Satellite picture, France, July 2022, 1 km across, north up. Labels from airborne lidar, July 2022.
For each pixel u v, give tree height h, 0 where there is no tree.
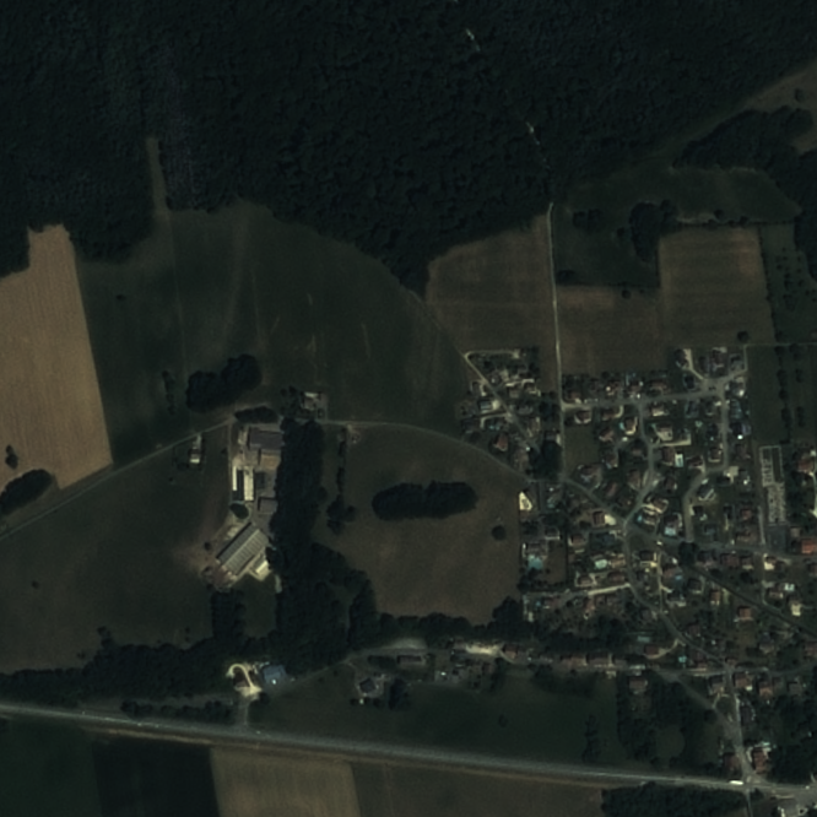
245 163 24
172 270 0
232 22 23
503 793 0
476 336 0
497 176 23
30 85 24
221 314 0
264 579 0
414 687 0
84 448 0
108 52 24
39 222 14
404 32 24
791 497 10
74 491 0
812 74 0
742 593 0
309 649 19
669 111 26
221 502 0
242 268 0
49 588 0
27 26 20
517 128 28
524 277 0
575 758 0
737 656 0
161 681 20
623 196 0
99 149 24
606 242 0
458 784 0
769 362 0
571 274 14
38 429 0
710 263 0
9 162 18
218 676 11
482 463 0
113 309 0
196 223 0
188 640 9
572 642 21
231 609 16
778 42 9
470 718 0
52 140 19
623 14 25
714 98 23
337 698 0
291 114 33
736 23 11
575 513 7
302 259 0
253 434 0
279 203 19
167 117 22
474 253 0
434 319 0
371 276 0
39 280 0
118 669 20
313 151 30
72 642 0
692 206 0
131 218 19
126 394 0
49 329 0
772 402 0
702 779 0
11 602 0
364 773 0
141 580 0
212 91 22
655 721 7
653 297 0
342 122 28
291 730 0
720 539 0
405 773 0
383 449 0
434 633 26
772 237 0
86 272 0
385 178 28
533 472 11
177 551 0
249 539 0
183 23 21
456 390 0
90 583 0
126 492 0
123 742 0
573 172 19
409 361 0
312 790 0
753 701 7
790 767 8
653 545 0
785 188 18
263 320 0
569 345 0
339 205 26
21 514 0
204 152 22
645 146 23
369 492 0
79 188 26
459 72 23
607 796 10
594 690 0
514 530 0
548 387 0
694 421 0
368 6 22
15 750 0
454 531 0
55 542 0
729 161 18
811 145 0
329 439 0
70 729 0
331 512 14
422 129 20
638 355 0
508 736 0
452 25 23
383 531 0
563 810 0
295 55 24
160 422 0
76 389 0
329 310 0
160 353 0
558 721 0
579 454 0
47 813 0
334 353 0
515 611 16
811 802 0
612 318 0
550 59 24
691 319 0
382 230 25
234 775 0
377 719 0
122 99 21
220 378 14
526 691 0
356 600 8
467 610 0
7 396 0
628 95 26
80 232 13
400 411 0
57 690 17
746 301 0
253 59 29
